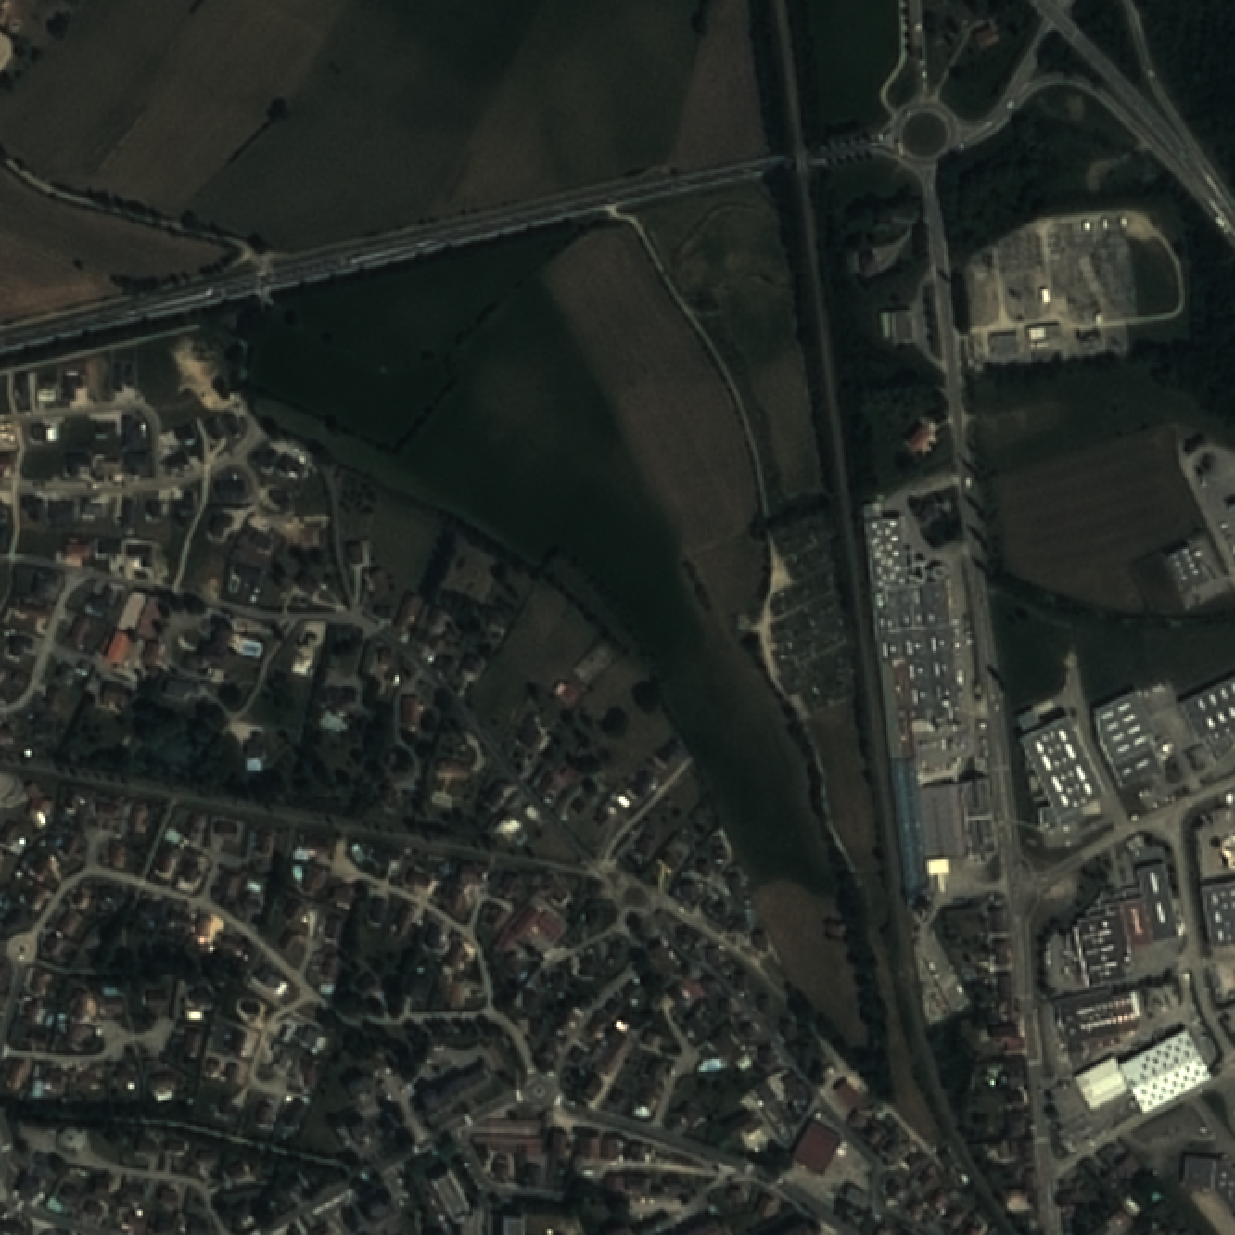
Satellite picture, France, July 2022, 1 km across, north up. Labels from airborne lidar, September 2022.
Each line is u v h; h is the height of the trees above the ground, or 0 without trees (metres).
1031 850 0
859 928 17
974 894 0
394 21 0
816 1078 11
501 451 0
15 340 0
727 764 0
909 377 19
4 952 0
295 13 0
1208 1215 0
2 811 0
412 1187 12
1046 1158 0
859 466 14
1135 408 0
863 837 0
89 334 8
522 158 0
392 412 0
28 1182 0
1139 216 0
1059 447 0
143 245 0
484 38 0
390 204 0
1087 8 7
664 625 0
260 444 0
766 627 0
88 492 0
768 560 6
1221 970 0
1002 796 0
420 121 0
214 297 0
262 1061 0
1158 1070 0
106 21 0
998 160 6
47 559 0
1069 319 0
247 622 0
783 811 0
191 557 0
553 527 0
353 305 0
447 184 0
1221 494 0
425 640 8
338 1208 0
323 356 0
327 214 0
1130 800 0
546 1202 10
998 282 0
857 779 0
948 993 0
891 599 0
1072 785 0
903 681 0
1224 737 0
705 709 0
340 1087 0
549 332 0
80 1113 8
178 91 0
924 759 0
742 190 0
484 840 8
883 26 0
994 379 12
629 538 0
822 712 0
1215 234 13
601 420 0
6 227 0
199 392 0
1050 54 13
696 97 0
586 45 0
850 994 0
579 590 0
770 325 0
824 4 0
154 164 0
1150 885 0
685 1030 6
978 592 0
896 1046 0
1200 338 9
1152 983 9
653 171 0
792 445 0
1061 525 0
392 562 0
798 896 0
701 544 0
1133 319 0
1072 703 0
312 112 0
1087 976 0
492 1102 0
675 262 0
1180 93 7
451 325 0
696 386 0
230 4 0
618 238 0
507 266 0
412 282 0
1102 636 0
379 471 0
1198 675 0
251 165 0
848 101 0
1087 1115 0
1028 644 0
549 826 0
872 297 0
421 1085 0
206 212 0
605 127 0
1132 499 0
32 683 0
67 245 0
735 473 0
